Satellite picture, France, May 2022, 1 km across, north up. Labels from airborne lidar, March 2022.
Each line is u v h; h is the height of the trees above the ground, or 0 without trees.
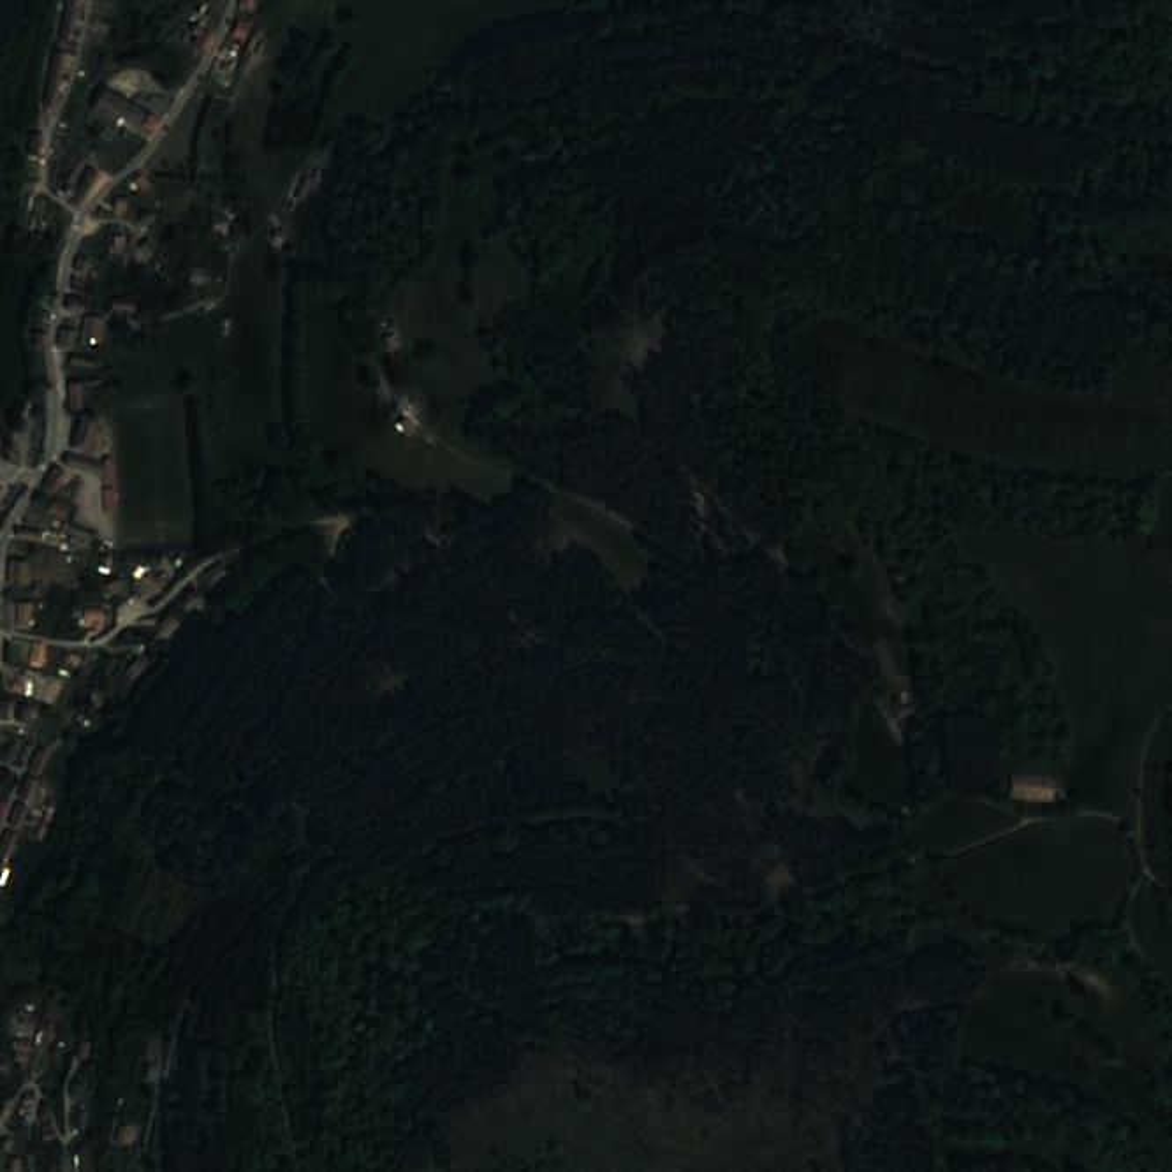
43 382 9
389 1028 17
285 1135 17
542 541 35
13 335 0
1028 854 0
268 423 0
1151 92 7
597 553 0
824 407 11
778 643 31
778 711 30
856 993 28
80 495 0
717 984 25
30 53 7
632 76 33
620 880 30
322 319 0
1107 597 0
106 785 18
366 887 15
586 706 33
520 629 31
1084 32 23
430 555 33
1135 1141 18
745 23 14
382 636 28
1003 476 14
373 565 32
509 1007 25
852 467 18
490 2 0
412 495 6
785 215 17
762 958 16
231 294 0
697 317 30
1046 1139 22
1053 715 24
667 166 15
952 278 10
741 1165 0
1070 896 0
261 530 16
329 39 15
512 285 0
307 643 25
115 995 6
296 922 18
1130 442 0
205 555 14
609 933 14
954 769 28
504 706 31
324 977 18
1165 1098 20
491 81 24
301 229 0
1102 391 24
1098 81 15
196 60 0
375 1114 16
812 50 39
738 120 14
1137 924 0
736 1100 18
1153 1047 0
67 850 7
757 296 21
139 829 22
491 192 0
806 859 31
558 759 35
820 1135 0
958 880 0
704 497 0
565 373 27
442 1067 20
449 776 30
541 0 0
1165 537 0
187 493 0
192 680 26
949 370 20
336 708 32
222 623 0
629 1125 0
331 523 0
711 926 23
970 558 0
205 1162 25
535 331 8
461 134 19
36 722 0
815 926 17
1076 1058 0
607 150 17
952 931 0
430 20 0
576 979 23
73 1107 0
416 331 0
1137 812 0
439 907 22
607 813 20
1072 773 0
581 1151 0
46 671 0
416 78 0
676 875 30
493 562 36
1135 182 27
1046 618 0
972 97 21
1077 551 0
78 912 18
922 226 26
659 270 21
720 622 31
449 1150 20
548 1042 21
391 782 30
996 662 20
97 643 0
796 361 6
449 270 0
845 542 0
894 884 17
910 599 16
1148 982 21
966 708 11
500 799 26
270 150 7
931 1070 24
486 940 26
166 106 0
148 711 26
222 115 0
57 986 8
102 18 0
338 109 0
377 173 24
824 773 13
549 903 29
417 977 20
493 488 0
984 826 0
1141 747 0
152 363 0
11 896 0
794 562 22
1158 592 0
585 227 17
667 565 32
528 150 13
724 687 32
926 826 0
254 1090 21
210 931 12
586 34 29
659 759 31
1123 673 0
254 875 7
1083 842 0
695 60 35
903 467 13
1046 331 29
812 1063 25
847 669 28
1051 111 13
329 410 0
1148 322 31
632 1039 23
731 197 9
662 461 24
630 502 26
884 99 30
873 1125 26
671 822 30
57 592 0
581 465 29
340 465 24
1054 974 0
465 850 27
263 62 0
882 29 32
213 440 0
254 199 0
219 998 12
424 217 21
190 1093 28
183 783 23
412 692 0
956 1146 13
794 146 22
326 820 29
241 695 30
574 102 31
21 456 0
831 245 23
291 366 17
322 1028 19
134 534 0
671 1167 0
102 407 0
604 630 32
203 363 0
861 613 0
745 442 7
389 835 28
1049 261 33
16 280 0
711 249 16
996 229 7
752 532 24
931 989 27
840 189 26
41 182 0
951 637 10
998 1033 0
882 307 7
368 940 22
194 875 31
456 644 33
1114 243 18
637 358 0
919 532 9
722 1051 27
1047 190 13
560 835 24
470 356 0
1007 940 20
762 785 33
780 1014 25
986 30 24
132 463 0
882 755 0
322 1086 10
